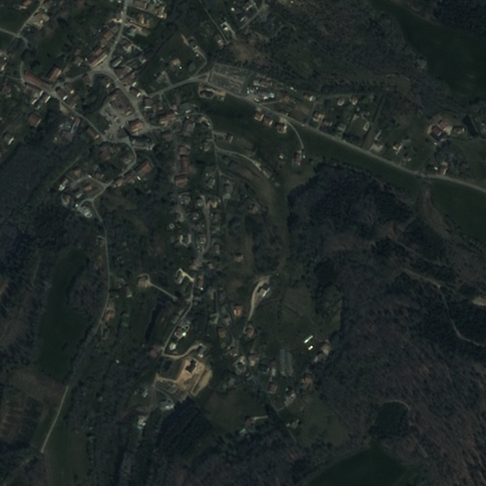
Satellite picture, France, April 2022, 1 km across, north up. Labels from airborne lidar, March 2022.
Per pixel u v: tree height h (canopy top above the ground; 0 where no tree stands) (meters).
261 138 0
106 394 19
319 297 16
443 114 0
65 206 0
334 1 0
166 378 0
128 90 0
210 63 9
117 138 0
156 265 15
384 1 0
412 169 0
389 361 23
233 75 0
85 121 0
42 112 0
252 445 19
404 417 12
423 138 0
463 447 21
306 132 0
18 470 18
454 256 7
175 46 0
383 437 7
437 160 10
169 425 0
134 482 12
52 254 0
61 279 0
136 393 0
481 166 0
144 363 17
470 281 0
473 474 23
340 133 7
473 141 0
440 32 0
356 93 11
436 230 0
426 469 17
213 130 0
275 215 0
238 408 0
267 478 25
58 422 0
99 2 0
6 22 0
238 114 0
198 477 24
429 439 20
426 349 24
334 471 0
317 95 0
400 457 16
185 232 0
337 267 14
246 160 0
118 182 0
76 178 0
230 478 30
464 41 0
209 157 0
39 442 0
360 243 27
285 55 0
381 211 17
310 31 12
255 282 0
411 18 0
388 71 15
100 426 17
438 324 15
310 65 0
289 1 0
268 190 0
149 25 0
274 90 0
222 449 23
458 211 0
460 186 0
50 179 19
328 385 16
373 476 0
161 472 21
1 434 0
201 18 0
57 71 0
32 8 0
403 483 0
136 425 0
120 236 14
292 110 0
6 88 0
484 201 0
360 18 17
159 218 19
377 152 0
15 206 20
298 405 0
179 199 0
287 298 0
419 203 0
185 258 0
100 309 24
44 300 18
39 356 18
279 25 0
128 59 0
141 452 9
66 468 0
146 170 0
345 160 0
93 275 21
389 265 13
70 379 14
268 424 0
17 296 21
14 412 0
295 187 0
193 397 0
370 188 9
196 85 0
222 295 0
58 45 0
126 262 14
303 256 17
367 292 27
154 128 0
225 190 0
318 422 0
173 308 14
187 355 0
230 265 0
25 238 11
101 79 7
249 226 0
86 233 13
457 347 13
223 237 9
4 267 7
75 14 0
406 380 24
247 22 0
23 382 0
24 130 0
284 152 0
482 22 31
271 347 0
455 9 37
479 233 0
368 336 28
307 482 13
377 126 0
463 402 23
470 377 26
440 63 0
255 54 0
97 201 0
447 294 16
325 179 13
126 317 16
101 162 6
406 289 7
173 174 0
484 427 23
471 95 0
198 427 29
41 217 6
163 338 0
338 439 0
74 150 22
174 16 17
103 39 0
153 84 0
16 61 0
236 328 0
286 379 7
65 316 0
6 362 20
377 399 15
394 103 0
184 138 7
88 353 21
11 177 23
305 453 14
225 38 0
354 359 23
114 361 6
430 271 15
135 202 8
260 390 8
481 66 0
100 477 18
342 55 13
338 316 0
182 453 28
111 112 0
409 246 9
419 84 17
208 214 0
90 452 14
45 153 21
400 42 13
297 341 0
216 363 0
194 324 8
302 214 28
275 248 21
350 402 19
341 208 25
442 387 23
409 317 30
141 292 0
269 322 0
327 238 17
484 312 11
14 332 0
